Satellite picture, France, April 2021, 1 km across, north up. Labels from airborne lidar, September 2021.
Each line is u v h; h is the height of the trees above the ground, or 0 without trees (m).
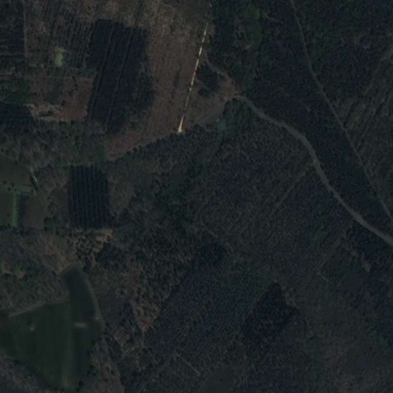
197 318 19
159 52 0
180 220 20
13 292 23
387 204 15
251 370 8
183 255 9
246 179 12
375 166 6
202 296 24
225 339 20
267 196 14
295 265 14
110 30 13
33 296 22
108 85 13
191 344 21
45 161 18
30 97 6
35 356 0
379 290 14
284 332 15
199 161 16
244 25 12
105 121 13
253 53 7
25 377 17
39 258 18
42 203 10
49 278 21
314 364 16
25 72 16
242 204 18
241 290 19
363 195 19
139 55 11
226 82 16
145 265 9
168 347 22
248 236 12
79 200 12
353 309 5
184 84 0
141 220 18
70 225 16
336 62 19
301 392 13
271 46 19
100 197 14
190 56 0
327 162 17
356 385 10
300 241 15
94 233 11
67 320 0
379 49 15
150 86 12
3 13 25
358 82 20
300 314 18
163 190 19
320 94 14
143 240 13
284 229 15
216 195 10
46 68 13
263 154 15
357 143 9
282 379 16
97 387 20
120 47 13
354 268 15
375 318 10
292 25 20
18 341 0
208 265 20
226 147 18
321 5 20
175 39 0
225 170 17
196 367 19
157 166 11
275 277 12
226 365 9
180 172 8
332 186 18
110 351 0
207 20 8
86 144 18
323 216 20
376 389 6
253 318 14
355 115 14
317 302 7
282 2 21
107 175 12
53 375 0
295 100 19
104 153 19
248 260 19
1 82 10
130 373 7
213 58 21
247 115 20
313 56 15
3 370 12
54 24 8
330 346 10
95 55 14
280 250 12
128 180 17
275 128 18
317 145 17
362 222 0
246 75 18
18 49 10
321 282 13
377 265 12
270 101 19
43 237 19
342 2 15
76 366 0
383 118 9
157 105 0
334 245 16
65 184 11
